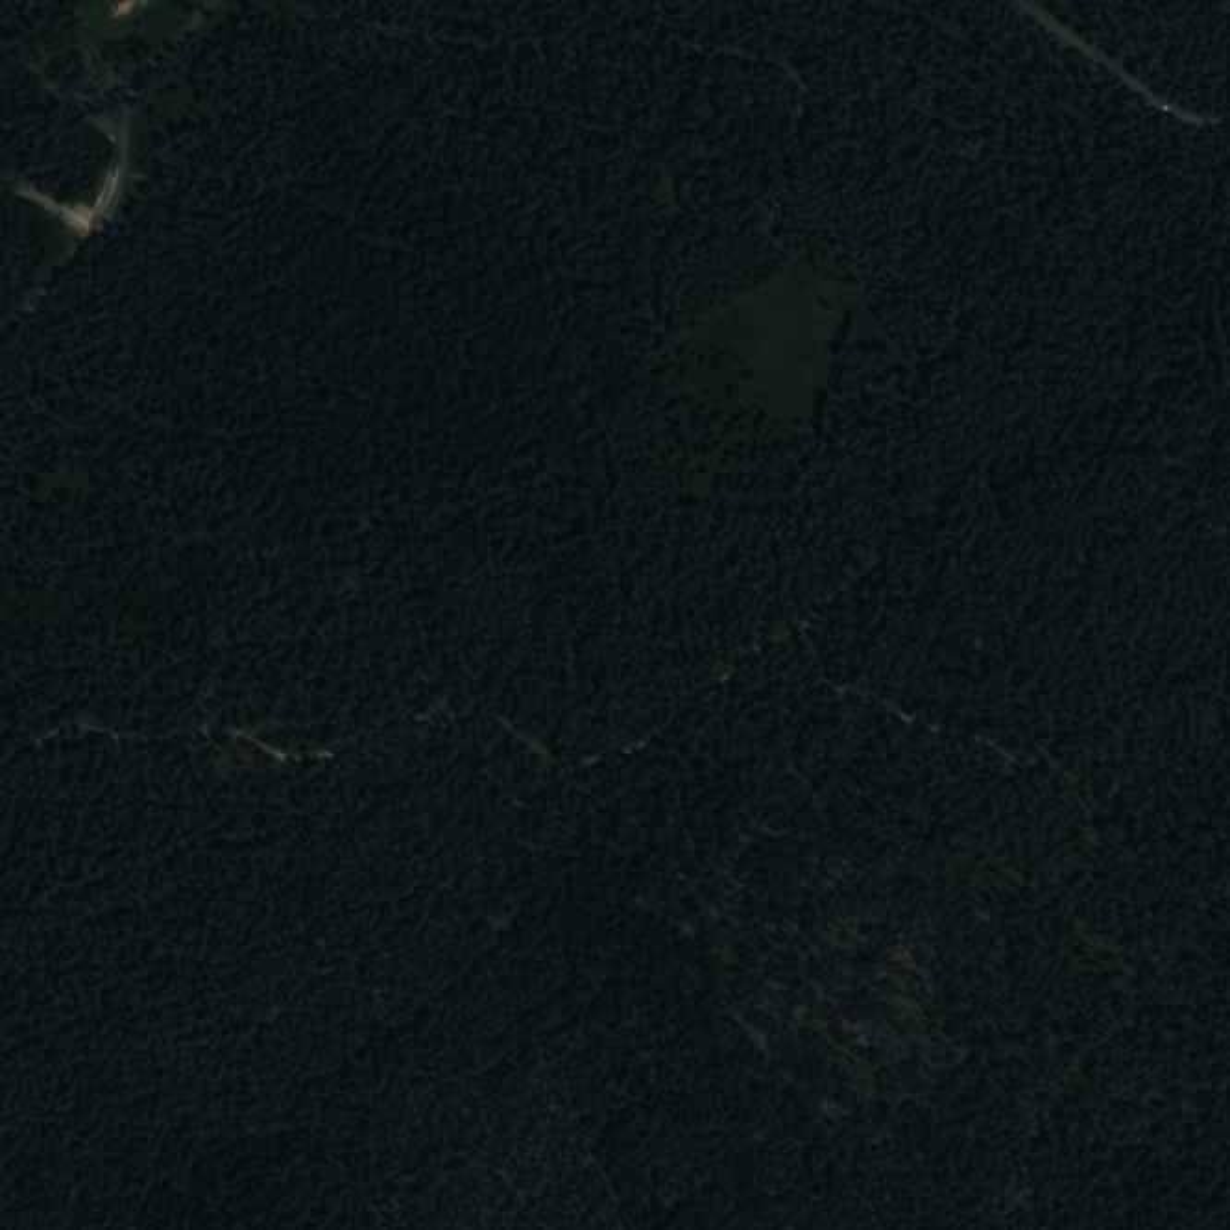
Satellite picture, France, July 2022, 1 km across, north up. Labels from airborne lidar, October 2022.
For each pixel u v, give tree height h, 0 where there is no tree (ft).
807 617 40
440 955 62
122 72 85
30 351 60
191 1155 82
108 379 36
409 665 58
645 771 96
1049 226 57
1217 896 93
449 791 49
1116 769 73
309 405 48
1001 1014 93
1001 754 40
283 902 54
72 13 97
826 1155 71
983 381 40
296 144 65
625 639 53
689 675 71
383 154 84
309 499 66
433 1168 70
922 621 74
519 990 71
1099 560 78
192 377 23
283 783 72
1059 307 75
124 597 27
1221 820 85
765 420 43
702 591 50
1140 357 90
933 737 93
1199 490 94
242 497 82
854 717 29
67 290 57
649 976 84
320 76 68
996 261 100
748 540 84
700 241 32
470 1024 73
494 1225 28
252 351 67
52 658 57
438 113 91
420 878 55
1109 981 66
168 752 88
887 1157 70
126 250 46
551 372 60
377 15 36
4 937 82
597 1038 31
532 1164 40
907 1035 69
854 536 89
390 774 33
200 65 64
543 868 65
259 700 90
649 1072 68
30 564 37
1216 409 73
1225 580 65
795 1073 51
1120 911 25
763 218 90
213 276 54
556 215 88
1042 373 70
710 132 62
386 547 55
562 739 85
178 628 45
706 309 54
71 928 89
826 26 77
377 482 77
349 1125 36
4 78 60
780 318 0
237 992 53
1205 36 61
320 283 54
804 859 54
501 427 49
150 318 31
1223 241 34
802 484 81
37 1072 52
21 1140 62
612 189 83
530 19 70
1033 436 81
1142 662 95
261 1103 89
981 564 72
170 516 93
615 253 44
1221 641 69
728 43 59
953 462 83
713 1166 77
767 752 85
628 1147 70
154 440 53
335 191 64
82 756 41
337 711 73
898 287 36
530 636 53
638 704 74
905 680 49
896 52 85
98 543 27
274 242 53
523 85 84
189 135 74
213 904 81
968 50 69
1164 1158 75
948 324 82
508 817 61
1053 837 44
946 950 100
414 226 47
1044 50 87
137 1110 60
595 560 75
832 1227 76
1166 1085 39
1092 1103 67
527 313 54
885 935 63
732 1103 70
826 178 22
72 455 40
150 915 19
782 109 55
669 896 96
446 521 31
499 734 56
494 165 79
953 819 47
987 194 97
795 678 57
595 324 48
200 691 64
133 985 39
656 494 38
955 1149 62
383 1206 78
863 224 91
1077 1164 101
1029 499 31
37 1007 87
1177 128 94
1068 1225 81
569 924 73
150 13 20
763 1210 63
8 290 39
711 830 75
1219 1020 80
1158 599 75
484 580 68
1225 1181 70
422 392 33
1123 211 73
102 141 63
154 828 55
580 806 59
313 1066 74
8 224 62
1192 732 86
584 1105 68
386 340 88
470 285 54
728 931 81
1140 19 86
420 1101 54
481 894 73
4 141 45
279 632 73
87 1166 42
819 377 0
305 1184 83
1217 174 64
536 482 97
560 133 101
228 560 40
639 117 104
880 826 41
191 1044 59
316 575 59
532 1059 67
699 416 55
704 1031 80
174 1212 33
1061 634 62
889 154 94
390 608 58
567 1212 40
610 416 37
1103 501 93
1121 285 72
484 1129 69
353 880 53
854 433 82
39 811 51
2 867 44
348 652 32
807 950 85
